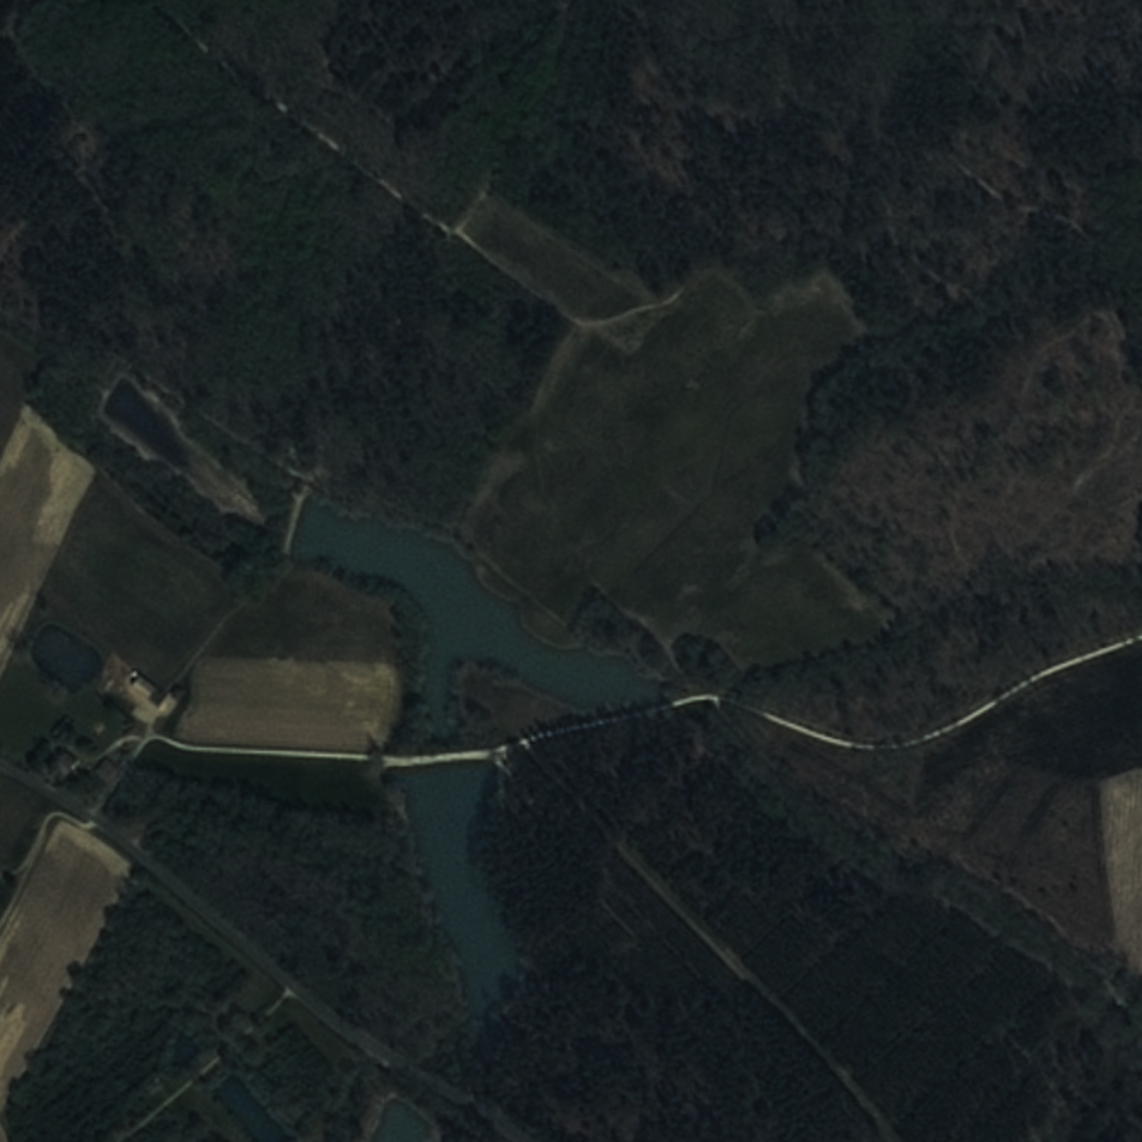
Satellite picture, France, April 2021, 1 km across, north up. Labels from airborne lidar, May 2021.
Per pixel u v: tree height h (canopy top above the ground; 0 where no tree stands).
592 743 22
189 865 9
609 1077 26
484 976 0
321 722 0
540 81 21
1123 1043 21
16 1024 0
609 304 0
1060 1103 11
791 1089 23
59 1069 11
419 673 18
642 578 0
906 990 15
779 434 0
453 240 11
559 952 11
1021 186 15
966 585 14
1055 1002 13
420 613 12
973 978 10
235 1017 14
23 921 0
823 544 8
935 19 13
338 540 0
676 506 0
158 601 0
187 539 8
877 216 6
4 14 10
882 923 13
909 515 0
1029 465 18
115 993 14
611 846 18
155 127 10
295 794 0
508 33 11
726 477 0
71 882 0
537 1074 10
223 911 15
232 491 0
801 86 14
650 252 16
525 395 18
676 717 16
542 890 20
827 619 0
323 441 15
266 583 18
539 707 0
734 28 14
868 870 16
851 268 23
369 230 17
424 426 13
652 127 26
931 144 21
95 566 0
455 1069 21
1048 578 18
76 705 0
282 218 12
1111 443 8
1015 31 12
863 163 15
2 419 0
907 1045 12
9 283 6
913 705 12
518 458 0
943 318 7
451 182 15
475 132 20
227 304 22
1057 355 0
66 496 0
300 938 18
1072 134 22
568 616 0
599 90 13
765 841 21
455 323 17
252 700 0
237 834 21
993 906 13
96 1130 8
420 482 17
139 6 16
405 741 19
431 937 25
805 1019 12
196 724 0
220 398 17
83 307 20
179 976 11
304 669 0
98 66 18
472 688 0
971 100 12
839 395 17
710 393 0
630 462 0
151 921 13
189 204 15
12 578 0
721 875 19
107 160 14
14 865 0
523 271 0
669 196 24
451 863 0
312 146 20
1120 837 0
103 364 16
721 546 0
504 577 0
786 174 17
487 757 15
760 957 11
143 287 13
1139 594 14
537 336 24
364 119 9
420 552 0
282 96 13
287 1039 7
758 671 10
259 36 11
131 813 12
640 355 0
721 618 0
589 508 0
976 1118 11
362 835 23
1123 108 20
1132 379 6
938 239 10
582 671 0
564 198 26
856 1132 22
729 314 0
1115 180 18
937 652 15
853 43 16
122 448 8
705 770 10
